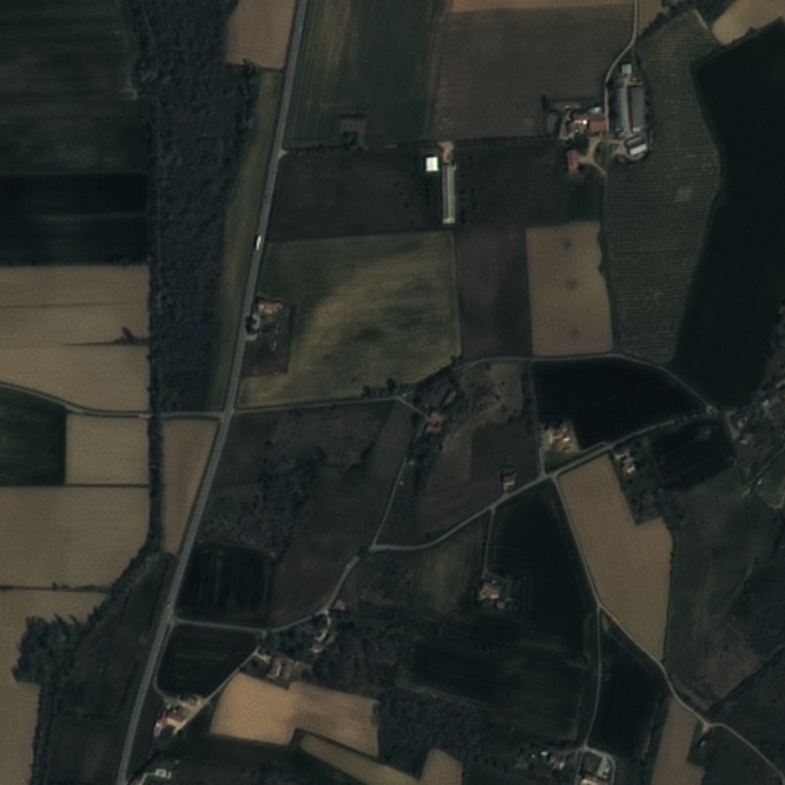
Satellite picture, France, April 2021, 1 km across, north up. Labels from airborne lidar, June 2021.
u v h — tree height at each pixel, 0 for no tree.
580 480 0
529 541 0
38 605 0
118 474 0
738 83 0
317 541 0
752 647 0
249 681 0
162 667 0
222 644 0
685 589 0
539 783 12
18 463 0
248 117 21
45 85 0
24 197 0
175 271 10
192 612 0
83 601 0
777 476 0
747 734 0
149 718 0
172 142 10
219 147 12
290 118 0
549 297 0
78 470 0
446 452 0
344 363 0
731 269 0
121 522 0
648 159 9
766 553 0
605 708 0
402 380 0
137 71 11
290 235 0
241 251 0
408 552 0
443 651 0
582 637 0
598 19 0
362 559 10
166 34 15
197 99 10
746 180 0
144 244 0
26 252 0
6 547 0
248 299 0
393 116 0
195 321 12
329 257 0
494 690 0
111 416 0
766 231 0
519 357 0
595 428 0
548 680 0
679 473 0
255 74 17
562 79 0
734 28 0
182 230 12
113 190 0
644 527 0
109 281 0
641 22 0
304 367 0
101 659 5
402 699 9
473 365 0
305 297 0
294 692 0
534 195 0
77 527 0
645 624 0
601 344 0
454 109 0
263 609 0
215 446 0
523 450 0
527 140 11
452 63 0
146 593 0
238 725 0
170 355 20
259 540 7
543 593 0
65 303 0
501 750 0
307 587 0
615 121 12
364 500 0
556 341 0
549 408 0
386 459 0
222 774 0
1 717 0
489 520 0
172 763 8
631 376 0
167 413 11
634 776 0
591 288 0
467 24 0
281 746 0
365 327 0
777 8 0
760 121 0
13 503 0
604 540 0
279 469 21
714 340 0
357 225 0
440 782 0
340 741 0
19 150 0
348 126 0
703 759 0
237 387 0
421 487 12
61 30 0
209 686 0
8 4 0
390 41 0
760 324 0
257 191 0
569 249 0
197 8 11
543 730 0
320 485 0
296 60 0
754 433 0
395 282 0
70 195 0
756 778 0
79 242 0
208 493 0
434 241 0
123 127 0
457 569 0
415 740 17
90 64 0
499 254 0
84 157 0
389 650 12
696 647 0
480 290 0
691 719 0
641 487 0
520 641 0
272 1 0
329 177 0
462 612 0
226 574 0
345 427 0
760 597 0
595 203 0
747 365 0
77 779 0
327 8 0
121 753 0
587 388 0
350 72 0
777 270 0
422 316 0
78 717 7
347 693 7
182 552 0
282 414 0
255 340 0
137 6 14
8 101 0
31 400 0
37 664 30
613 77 0
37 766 6
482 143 9
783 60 0
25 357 0
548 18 0
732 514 0
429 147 12
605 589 0
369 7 0
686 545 0
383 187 0
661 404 0
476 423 0
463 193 7
